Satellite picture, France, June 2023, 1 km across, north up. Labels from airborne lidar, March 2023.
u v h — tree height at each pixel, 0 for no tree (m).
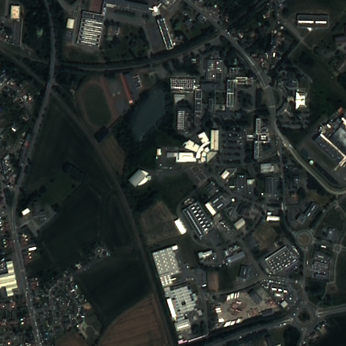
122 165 0
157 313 0
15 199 0
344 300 0
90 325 0
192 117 11
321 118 0
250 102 9
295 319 0
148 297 0
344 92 0
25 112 0
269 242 0
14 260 0
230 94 0
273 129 0
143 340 0
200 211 0
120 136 13
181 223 6
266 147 7
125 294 0
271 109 0
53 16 13
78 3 0
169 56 0
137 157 11
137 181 0
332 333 0
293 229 0
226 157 0
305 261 0
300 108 0
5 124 0
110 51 0
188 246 0
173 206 0
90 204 0
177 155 0
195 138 0
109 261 0
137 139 0
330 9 0
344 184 0
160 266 0
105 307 0
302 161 0
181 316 0
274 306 0
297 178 0
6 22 0
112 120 0
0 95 0
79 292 0
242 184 0
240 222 0
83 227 0
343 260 0
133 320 0
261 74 0
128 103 0
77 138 0
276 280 0
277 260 0
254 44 9
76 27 0
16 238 0
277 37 0
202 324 13
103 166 0
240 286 0
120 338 0
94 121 0
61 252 0
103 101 0
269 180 0
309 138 0
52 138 0
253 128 0
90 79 0
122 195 0
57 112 0
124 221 0
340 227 0
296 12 0
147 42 7
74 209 0
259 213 0
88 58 0
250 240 0
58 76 17
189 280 0
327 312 0
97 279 0
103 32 0
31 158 0
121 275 0
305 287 0
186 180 0
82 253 0
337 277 0
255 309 0
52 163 0
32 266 0
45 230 0
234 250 0
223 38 11
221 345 0
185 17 9
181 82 0
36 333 0
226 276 0
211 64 0
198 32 0
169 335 0
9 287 0
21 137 0
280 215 13
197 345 16
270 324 0
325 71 0
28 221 0
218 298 0
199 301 0
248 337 11
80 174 24
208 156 0
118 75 0
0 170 0
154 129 7
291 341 14
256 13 10
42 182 0
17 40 0
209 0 0
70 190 0
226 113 0
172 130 20
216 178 0
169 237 0
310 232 0
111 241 0
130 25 0
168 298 0
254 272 0
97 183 0
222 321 0
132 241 0
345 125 0
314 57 0
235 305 0
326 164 0
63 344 0
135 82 0
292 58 0
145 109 0
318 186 12
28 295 0
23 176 0
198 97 0
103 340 0
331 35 0
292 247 0
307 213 0
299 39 0
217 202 0
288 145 0
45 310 0
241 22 7
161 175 0
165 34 0
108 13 0
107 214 0
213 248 0
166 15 0
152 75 0
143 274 0
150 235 0
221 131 0
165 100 12
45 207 0
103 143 0
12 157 11
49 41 9
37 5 10
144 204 20
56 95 0
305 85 0
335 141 0
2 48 0
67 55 0
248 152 12
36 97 7
